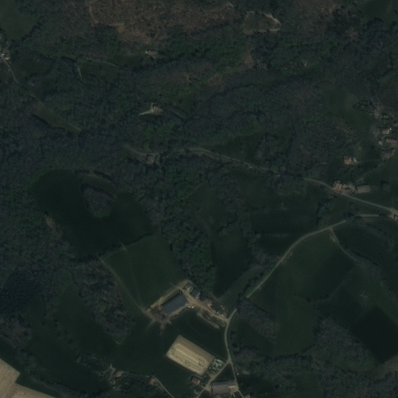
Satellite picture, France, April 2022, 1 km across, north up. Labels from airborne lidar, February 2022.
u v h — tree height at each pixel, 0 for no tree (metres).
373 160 0
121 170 33
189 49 16
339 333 25
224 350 0
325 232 0
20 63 0
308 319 0
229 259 0
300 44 26
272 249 0
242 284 0
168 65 24
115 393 0
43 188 0
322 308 0
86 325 0
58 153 33
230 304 0
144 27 10
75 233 0
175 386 0
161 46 14
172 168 27
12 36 0
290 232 0
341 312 0
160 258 0
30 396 0
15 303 25
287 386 30
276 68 26
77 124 17
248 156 0
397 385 30
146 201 29
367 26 9
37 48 27
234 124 27
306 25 29
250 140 0
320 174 20
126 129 26
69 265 32
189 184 20
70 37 22
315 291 0
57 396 0
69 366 0
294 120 22
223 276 0
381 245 0
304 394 0
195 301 0
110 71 0
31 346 0
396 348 0
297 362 28
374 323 0
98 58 28
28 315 0
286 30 27
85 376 0
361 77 15
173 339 0
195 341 0
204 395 0
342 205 0
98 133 27
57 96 28
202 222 0
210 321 0
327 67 14
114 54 15
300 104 28
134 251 0
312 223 0
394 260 0
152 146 19
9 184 26
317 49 16
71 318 0
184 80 25
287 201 0
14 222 25
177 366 0
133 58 0
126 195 0
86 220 0
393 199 0
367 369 0
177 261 0
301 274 0
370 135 0
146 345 0
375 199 0
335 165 0
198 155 0
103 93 23
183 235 21
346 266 0
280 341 0
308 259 0
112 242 0
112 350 0
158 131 18
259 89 28
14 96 27
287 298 0
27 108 23
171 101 0
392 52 24
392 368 0
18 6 11
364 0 27
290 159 19
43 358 0
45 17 21
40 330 0
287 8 27
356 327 0
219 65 25
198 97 14
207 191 0
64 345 0
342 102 0
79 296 0
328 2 29
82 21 27
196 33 15
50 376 0
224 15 13
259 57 28
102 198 28
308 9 30
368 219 0
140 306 0
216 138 32
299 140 20
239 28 29
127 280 0
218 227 0
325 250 0
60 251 31
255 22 0
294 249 0
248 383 0
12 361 0
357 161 0
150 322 0
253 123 24
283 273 0
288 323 0
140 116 26
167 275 0
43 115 0
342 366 0
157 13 10
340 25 13
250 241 17
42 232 26
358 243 0
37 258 26
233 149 0
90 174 25
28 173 31
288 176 26
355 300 0
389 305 0
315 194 0
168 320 0
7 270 33
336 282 0
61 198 0
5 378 0
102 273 31
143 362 0
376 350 0
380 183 0
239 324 0
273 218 0
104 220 0
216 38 22
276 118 26
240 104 29
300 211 0
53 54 21
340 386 29
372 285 0
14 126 26
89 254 0
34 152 32
